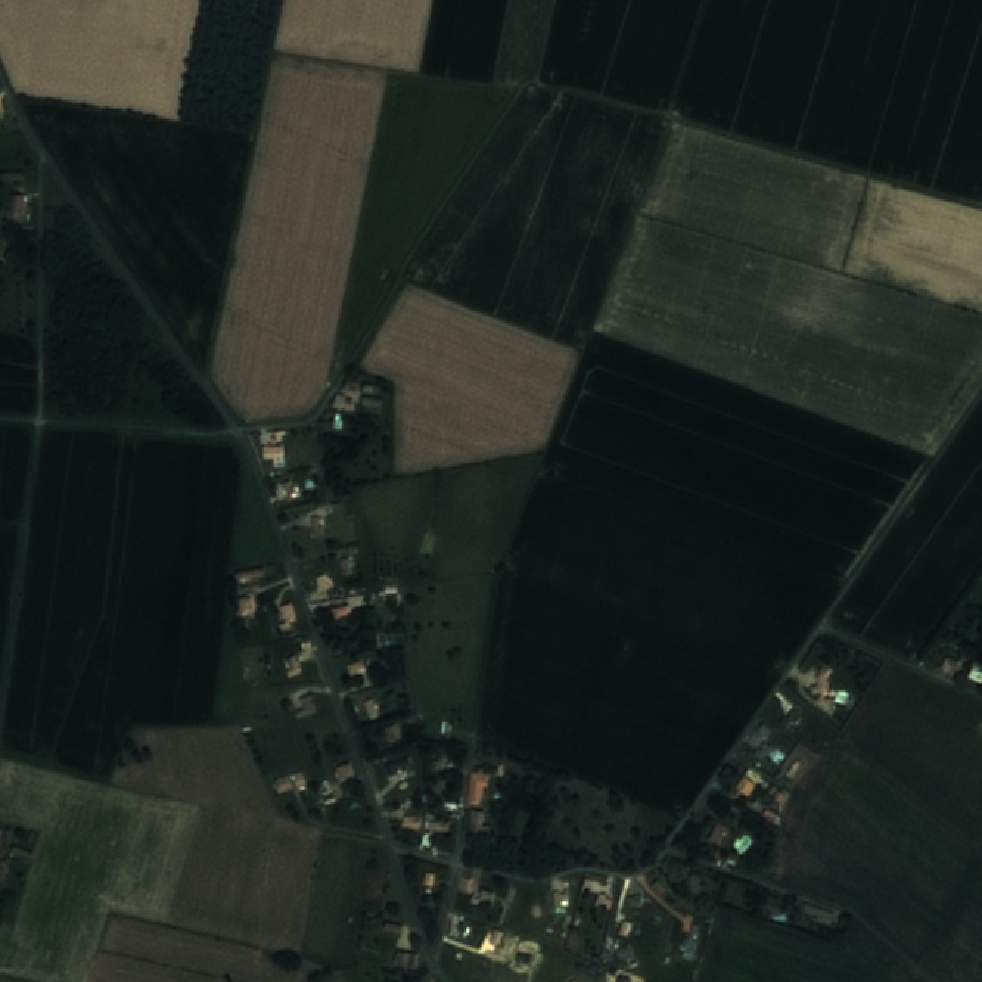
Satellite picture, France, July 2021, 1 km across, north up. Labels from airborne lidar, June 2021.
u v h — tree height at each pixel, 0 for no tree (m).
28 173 0
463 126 0
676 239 0
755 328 0
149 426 0
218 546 0
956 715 0
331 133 0
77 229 9
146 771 0
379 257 0
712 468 0
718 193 0
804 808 0
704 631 0
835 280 0
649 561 0
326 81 0
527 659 0
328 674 0
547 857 15
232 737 0
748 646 0
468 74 0
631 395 0
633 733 0
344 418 9
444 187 0
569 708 0
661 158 0
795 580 0
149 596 0
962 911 0
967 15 0
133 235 0
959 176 0
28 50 0
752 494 0
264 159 0
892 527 0
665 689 0
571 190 0
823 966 0
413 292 0
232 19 15
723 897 7
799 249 0
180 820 0
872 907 0
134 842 0
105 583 0
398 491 0
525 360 0
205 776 0
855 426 0
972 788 0
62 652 0
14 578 0
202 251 0
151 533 0
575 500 0
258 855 0
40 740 0
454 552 0
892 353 0
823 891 0
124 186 0
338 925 0
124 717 0
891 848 0
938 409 0
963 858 0
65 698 0
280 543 0
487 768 6
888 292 0
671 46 0
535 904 0
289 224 0
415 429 0
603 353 0
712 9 0
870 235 0
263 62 14
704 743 0
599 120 0
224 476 0
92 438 0
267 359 0
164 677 0
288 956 12
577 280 0
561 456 0
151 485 0
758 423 0
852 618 0
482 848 16
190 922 0
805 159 0
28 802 0
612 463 0
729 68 0
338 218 0
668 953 0
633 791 0
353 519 0
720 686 0
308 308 0
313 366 0
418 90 0
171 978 0
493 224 0
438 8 0
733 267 0
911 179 0
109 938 0
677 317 0
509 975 0
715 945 0
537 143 0
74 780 0
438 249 0
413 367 0
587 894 8
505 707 0
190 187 0
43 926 0
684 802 0
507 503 0
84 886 0
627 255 0
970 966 0
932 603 0
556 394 0
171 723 0
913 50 0
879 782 0
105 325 10
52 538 0
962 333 0
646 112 0
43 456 0
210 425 15
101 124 0
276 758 0
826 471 0
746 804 11
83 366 11
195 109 12
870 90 0
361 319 0
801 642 0
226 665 0
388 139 0
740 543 0
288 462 0
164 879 0
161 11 0
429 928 11
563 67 0
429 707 0
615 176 0
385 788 0
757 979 0
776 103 0
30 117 0
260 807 0
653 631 0
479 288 0
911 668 0
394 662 10
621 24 0
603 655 0
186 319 0
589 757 0
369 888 0
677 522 0
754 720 0
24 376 0
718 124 0
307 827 0
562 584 0
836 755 0
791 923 5
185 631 0
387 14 0
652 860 12
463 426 0
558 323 0
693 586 0
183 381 12
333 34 0
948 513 0
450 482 0
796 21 0
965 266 0
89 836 0
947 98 0
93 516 0
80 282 15
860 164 0
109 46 0
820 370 0
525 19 0
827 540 0
